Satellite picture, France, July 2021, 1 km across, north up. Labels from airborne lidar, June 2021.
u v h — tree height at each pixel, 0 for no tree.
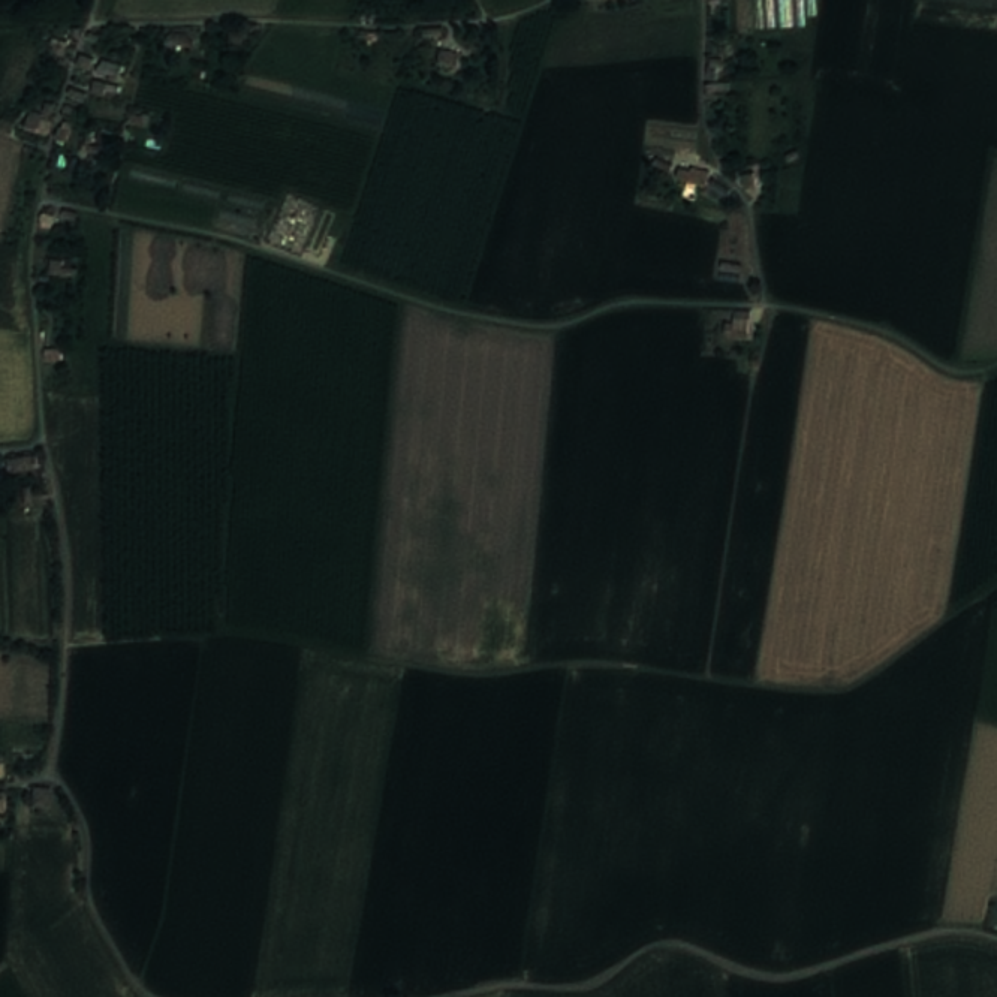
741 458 0
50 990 0
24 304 0
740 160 9
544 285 0
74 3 0
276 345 7
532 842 0
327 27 0
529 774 0
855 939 0
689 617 0
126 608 10
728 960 0
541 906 0
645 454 0
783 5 0
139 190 0
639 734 0
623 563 0
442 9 14
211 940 0
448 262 7
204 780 0
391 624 0
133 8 0
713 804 0
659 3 0
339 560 7
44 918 0
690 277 0
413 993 0
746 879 0
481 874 0
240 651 0
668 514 0
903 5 0
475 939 0
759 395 0
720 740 0
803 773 0
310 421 8
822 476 0
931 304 0
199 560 10
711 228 0
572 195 0
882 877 0
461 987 0
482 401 0
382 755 0
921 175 0
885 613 0
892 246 0
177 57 21
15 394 0
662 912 0
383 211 8
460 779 0
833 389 0
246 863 0
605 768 0
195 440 10
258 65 0
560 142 0
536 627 0
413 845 0
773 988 0
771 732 0
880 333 0
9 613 0
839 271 0
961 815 0
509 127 7
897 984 0
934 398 0
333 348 7
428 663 0
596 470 0
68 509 0
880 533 0
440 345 0
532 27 5
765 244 0
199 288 0
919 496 0
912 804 0
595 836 0
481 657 0
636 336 0
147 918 0
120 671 0
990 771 0
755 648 0
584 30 0
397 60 8
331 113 0
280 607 7
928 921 0
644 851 0
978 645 0
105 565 10
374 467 7
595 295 0
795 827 0
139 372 10
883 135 0
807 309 0
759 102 0
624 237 0
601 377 0
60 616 8
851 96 0
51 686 9
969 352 0
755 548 0
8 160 0
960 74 0
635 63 0
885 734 0
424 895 0
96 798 0
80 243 13
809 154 0
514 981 0
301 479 8
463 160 7
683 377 0
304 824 0
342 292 6
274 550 6
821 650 0
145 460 9
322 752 0
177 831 0
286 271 6
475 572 0
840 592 0
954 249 0
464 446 0
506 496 0
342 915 0
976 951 0
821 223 0
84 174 20
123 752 0
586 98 0
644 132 0
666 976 0
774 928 0
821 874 0
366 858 0
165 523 12
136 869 0
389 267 6
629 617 0
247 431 7
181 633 10
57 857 0
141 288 0
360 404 7
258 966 0
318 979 0
